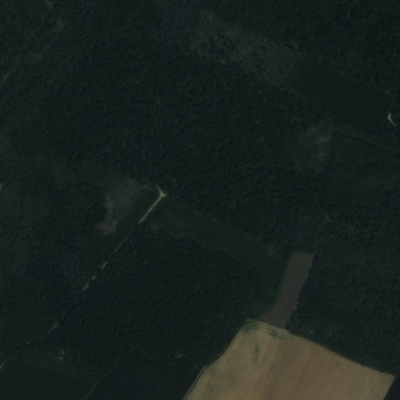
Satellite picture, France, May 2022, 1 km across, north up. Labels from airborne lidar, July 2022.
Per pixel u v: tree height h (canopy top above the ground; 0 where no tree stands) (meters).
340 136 17
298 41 25
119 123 25
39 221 29
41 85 22
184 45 27
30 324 7
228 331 26
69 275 28
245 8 28
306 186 24
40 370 0
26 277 28
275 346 0
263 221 25
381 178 24
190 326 28
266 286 7
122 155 28
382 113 9
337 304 26
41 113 24
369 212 29
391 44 29
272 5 27
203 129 24
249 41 0
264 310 13
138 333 27
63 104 31
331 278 23
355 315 28
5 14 21
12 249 29
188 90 17
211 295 30
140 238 24
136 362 0
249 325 0
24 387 0
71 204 26
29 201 27
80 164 23
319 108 11
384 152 19
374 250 25
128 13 30
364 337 22
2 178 17
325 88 9
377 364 23
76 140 31
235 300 26
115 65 28
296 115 24
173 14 34
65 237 25
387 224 23
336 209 10
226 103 27
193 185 20
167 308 25
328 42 30
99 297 28
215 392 0
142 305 27
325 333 19
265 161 22
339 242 23
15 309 28
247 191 23
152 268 30
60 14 20
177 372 0
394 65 29
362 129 21
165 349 17
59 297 25
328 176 19
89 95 28
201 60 25
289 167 25
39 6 26
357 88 8
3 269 22
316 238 20
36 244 17
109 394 0
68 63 22
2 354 16
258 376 0
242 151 17
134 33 21
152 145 29
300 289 0
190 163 21
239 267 26
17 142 24
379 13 30
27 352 19
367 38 27
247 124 25
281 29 26
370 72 22
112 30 23
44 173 30
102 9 26
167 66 31
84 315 25
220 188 25
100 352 23
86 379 0
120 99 29
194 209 26
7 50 27
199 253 29
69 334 28
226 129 25
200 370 0
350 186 7
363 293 17
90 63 23
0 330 11
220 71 26
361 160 19
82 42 21
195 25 24
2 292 24
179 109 30
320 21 23
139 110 24
